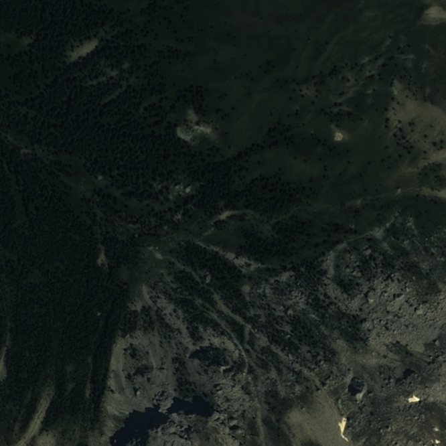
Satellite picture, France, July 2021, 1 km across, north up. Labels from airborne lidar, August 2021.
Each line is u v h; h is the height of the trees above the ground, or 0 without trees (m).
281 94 0
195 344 7
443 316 0
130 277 0
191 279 10
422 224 0
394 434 0
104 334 10
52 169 8
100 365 12
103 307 6
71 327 11
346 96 0
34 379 7
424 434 0
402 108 0
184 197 0
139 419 0
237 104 0
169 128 16
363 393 0
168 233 9
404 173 0
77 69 14
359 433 0
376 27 0
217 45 0
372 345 0
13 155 19
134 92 11
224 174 11
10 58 13
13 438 0
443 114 0
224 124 0
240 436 0
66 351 10
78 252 9
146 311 6
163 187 11
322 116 0
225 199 12
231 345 0
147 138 18
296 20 0
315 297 6
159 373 0
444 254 7
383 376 0
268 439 0
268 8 0
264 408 0
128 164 15
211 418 0
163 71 0
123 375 0
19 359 8
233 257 0
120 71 9
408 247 0
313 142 0
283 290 6
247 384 0
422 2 0
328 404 0
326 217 0
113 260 15
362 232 0
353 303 0
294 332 6
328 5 0
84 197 7
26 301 7
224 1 0
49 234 9
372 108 0
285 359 0
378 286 0
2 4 24
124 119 13
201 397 0
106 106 17
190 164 14
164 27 0
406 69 8
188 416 0
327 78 0
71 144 17
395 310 0
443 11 0
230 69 0
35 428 0
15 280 9
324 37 0
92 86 14
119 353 0
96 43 0
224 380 0
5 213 28
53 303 7
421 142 0
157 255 0
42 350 11
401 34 0
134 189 10
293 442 0
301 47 0
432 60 0
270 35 0
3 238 23
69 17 18
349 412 0
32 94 13
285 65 0
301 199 6
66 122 26
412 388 0
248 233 7
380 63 0
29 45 12
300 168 0
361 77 0
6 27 22
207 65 0
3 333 11
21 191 13
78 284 7
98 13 13
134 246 9
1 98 21
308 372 0
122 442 0
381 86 0
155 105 8
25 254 7
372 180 0
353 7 0
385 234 0
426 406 0
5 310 6
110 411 0
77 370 9
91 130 23
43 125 19
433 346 0
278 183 9
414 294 0
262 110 0
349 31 0
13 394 8
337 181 0
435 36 0
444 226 0
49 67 15
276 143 10
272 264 0
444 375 0
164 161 10
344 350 0
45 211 11
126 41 11
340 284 7
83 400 7
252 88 0
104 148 20
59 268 10
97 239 6
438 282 0
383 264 9
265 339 0
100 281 6
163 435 0
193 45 0
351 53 0
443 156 0
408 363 0
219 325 6
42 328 9
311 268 14
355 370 0
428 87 0
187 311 6
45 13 14
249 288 0
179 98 12
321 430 0
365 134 0
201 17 0
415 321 0
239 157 10
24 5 23
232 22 0
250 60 0
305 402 0
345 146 0
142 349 0
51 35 15
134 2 0
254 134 0
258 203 7
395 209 0
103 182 0
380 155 0
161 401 0
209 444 0
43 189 20
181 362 12
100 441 0
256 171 0
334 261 0
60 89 28
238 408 0
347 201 0
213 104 0
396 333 0
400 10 0
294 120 0
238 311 6
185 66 0
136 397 0
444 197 0
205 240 0
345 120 0
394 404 0
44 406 0
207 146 0
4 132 15
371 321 0
